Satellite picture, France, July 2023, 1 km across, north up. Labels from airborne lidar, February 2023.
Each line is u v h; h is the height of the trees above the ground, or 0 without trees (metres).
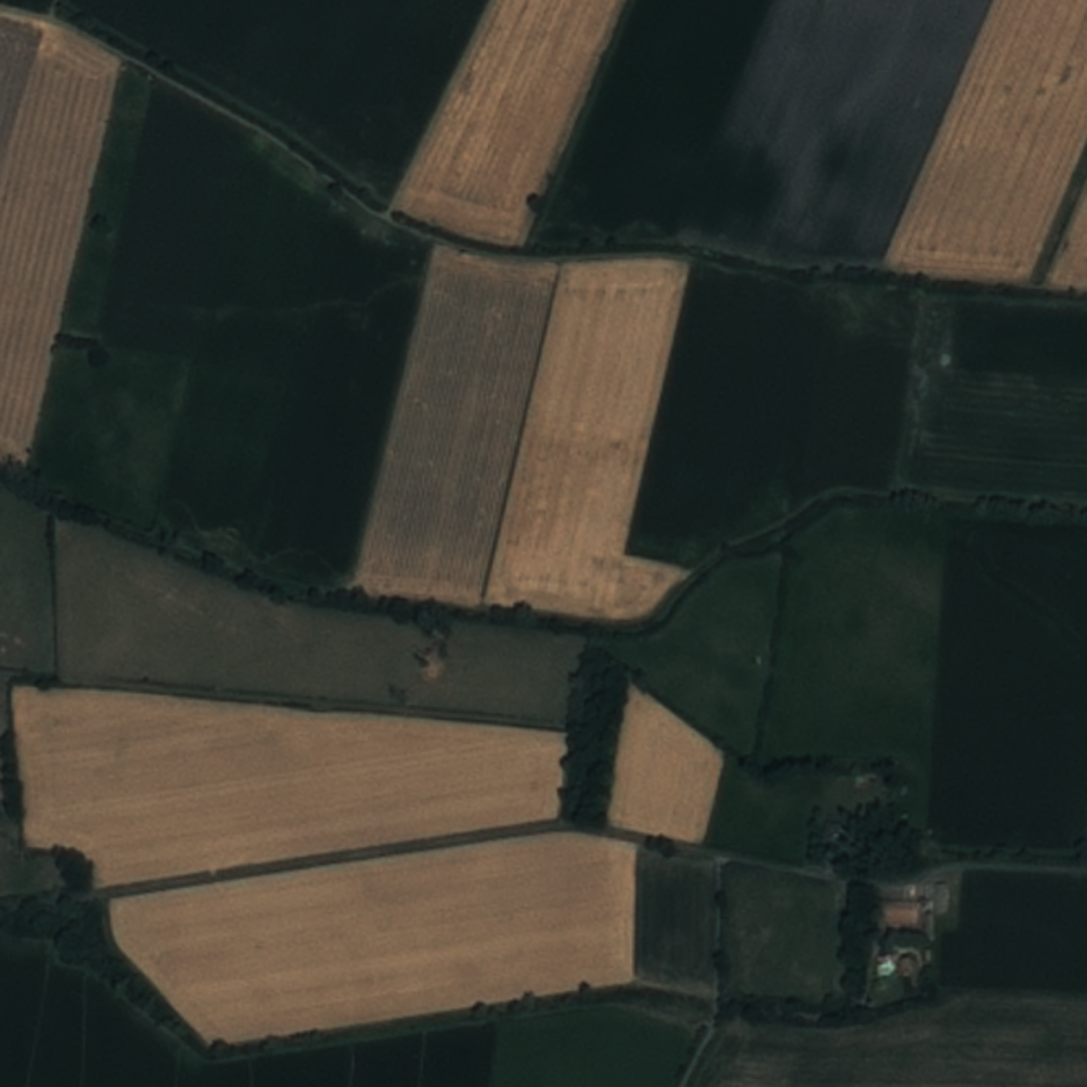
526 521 0
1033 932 0
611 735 17
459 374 0
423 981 0
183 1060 0
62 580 0
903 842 23
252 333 0
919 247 0
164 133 0
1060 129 0
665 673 0
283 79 0
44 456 0
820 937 0
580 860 0
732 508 0
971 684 0
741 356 0
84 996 0
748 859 0
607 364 0
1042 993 0
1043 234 0
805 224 0
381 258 0
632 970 0
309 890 0
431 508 0
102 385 0
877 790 0
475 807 0
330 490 0
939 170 0
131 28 0
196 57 0
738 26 0
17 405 0
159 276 0
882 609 0
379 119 0
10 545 0
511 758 0
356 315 0
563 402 0
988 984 0
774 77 0
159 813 0
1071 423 0
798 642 0
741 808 0
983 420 0
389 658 0
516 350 0
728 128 0
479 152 0
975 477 0
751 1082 0
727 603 0
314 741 0
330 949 0
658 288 0
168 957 0
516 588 0
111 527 10
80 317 0
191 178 0
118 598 0
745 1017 7
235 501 0
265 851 0
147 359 0
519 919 0
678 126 0
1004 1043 0
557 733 0
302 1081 0
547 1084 0
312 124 0
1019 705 0
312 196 0
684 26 0
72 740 0
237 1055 12
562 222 0
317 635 0
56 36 0
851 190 0
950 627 0
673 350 0
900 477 0
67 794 0
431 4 0
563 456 0
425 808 0
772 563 0
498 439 0
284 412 0
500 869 0
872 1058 0
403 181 0
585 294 0
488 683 0
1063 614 0
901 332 0
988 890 0
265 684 0
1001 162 0
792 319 0
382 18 0
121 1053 0
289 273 0
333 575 0
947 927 0
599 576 0
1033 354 0
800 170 0
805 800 0
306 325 0
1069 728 0
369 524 0
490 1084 0
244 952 0
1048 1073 0
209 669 0
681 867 0
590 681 7
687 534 0
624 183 0
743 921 0
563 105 0
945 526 0
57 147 0
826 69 0
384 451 0
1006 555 0
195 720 0
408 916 0
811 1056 0
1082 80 0
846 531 0
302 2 0
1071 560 0
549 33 0
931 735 0
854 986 17
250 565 0
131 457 0
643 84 0
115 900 0
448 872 0
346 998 0
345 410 0
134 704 0
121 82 0
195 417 0
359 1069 0
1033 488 0
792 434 0
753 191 0
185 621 0
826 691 0
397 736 0
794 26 0
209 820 0
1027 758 0
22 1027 0
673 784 0
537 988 0
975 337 0
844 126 0
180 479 0
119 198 0
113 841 0
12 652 0
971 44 0
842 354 0
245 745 0
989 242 0
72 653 0
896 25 0
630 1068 0
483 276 0
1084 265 0
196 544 0
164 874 0
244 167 0
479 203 0
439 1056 0
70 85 0
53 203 0
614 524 0
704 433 0
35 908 18
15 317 0
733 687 0
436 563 0
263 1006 0
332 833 0
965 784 0
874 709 0
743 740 0
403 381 0
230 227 0
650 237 0
